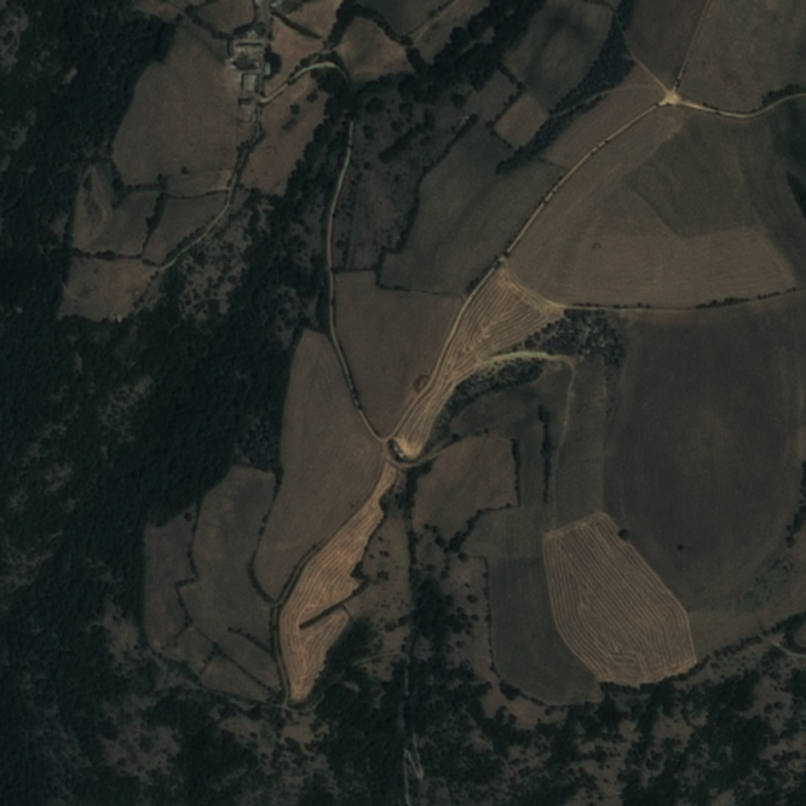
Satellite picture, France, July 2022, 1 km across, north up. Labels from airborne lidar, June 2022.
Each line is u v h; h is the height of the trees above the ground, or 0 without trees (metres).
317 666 0
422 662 7
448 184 0
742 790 7
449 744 5
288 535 0
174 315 8
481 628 0
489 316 0
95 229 0
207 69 0
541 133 7
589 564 0
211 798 6
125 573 9
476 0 0
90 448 9
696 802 7
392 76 16
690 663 0
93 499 13
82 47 12
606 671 0
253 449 14
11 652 10
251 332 12
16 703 14
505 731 7
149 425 14
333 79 17
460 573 0
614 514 0
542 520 0
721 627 0
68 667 15
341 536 0
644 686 11
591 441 0
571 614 0
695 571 0
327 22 0
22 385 13
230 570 0
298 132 0
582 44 0
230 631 7
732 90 0
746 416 0
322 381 0
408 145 7
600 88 7
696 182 0
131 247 0
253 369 15
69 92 17
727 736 9
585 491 0
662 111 0
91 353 9
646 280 0
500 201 0
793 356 0
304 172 17
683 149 0
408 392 0
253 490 0
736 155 0
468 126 10
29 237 9
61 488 5
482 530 0
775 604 0
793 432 0
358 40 0
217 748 7
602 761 9
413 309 0
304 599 0
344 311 0
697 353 0
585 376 0
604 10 0
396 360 0
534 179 0
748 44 0
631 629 0
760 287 0
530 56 0
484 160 0
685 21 0
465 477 0
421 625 12
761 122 0
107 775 11
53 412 8
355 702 14
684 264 0
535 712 0
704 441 0
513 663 0
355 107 16
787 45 0
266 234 12
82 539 12
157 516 6
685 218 0
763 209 0
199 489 9
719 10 0
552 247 0
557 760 10
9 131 8
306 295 8
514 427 0
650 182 0
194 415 17
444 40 0
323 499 0
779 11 0
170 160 0
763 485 0
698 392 0
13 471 7
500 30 18
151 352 16
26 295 8
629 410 0
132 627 0
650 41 0
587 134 0
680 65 0
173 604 0
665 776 10
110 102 7
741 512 0
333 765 11
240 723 0
